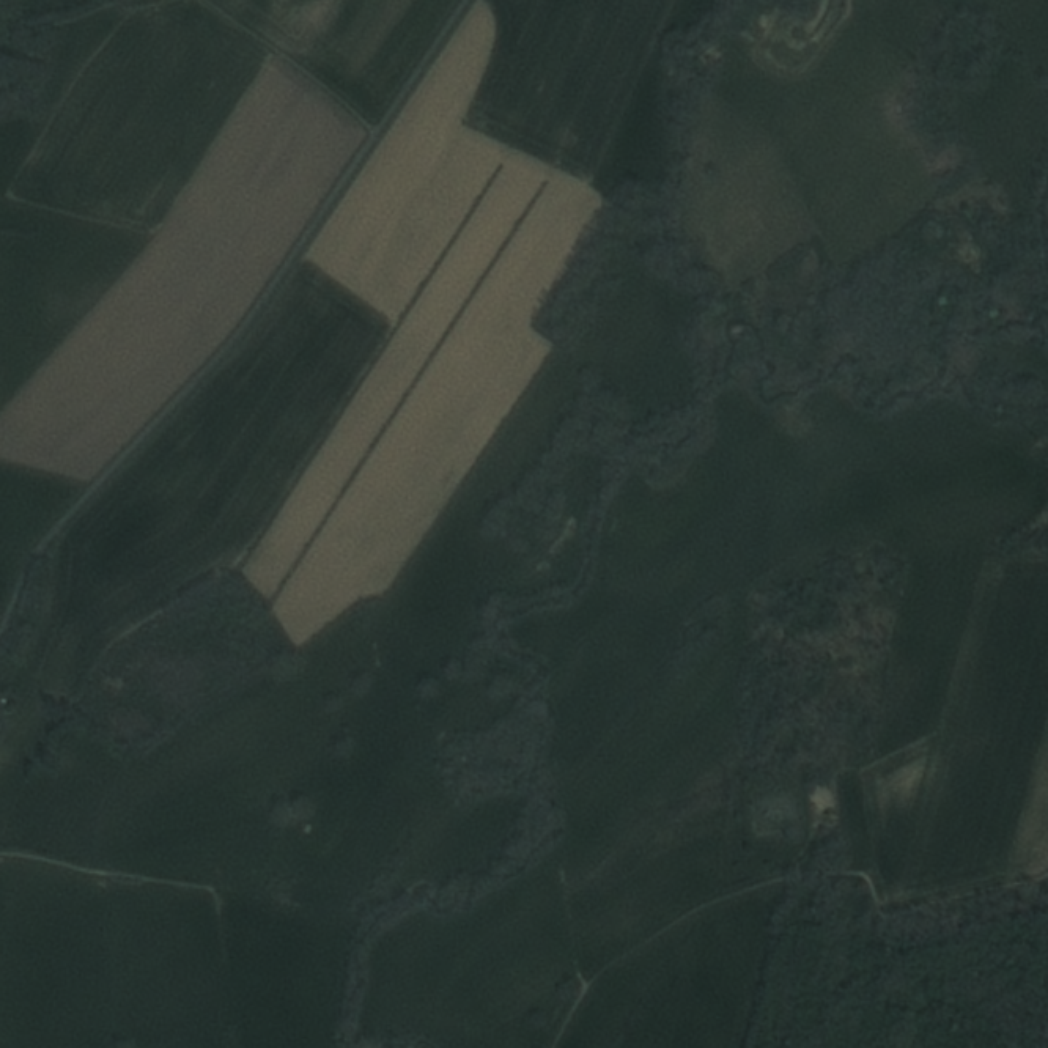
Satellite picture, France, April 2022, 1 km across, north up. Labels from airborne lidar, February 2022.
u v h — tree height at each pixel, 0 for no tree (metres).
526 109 0
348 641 0
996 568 0
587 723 0
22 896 0
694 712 0
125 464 0
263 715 0
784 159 0
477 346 0
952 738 0
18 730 0
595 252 24
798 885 17
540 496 18
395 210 0
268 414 0
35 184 0
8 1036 0
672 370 0
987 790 0
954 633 0
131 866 0
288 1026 0
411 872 0
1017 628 0
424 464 0
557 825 13
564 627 0
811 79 0
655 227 25
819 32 0
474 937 0
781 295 0
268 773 0
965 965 23
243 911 0
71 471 0
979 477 0
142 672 0
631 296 0
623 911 0
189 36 0
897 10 0
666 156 0
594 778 0
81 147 0
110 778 0
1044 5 0
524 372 0
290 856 0
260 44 0
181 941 0
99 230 0
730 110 0
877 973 16
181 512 0
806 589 13
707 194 0
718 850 0
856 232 0
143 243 0
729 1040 0
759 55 0
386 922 18
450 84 0
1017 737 0
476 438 0
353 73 0
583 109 0
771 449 0
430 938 0
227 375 0
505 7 0
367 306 0
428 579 0
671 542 0
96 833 0
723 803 0
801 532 0
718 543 0
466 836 0
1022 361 0
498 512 20
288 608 0
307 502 0
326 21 0
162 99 0
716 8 12
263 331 0
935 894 0
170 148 0
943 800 0
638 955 0
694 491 0
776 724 21
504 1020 0
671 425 17
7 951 0
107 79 0
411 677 0
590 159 0
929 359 10
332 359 0
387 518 0
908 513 0
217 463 0
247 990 0
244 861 0
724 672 0
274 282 0
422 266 0
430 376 0
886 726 0
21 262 0
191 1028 0
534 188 0
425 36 0
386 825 0
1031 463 0
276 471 0
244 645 21
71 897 0
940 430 0
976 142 0
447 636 0
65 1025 0
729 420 0
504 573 0
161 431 0
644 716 0
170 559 0
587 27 0
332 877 0
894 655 0
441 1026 0
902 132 0
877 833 0
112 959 0
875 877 0
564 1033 0
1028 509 0
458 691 0
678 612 0
